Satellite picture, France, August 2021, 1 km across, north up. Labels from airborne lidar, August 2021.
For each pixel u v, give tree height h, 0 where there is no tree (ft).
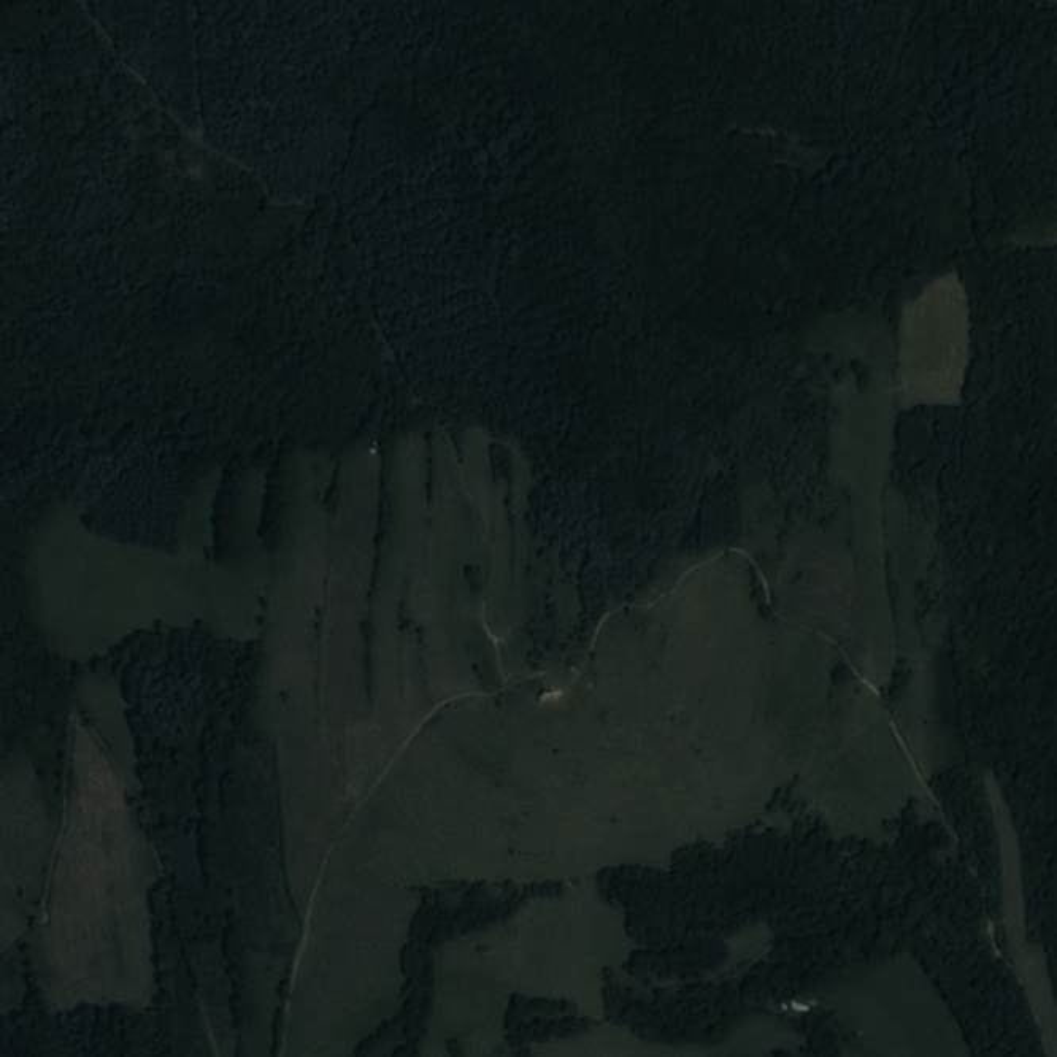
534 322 58
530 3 53
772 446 46
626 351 52
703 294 57
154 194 36
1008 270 60
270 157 47
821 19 47
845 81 38
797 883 54
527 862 0
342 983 0
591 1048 0
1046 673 30
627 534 38
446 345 67
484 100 43
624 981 0
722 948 52
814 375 19
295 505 0
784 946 68
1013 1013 49
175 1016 29
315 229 67
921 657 0
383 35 34
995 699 47
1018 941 0
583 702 0
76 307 38
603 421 56
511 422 31
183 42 45
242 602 0
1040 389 46
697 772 0
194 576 0
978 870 22
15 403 64
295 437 64
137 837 0
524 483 0
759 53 59
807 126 33
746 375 47
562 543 41
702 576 0
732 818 0
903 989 0
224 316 48
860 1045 0
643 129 36
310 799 0
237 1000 46
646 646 0
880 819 0
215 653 47
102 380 47
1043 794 35
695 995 57
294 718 0
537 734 0
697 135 50
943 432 54
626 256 48
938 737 0
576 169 45
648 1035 48
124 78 32
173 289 30
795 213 73
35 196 19
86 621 0
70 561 0
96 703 0
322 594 0
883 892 60
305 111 41
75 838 0
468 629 0
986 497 33
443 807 0
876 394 0
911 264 50
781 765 0
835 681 34
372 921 0
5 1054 66
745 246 63
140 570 0
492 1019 0
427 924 46
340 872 0
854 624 0
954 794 31
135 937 0
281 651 0
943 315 0
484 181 31
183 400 75
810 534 0
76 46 28
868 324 0
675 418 48
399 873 0
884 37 54
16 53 35
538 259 52
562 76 55
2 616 79
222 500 44
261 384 70
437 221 56
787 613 0
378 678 0
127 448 131
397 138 71
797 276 55
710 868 33
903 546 0
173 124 27
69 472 96
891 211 55
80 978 0
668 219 60
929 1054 0
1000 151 48
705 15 59
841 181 69
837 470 0
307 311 43
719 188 61
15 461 93
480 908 22
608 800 0
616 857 0
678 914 48
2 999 0
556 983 0
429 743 0
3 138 49
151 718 86
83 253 63
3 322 51
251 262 18
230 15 26
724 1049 0
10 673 82
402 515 0
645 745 0
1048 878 36
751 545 0
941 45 72
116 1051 42
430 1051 0
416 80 54
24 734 64
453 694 0
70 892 0
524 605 0
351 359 39
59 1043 45
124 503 82
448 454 0
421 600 0
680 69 63
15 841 0
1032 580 44
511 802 0
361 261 49
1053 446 43
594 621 19
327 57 42
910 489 33
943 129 38
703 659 0
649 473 56
